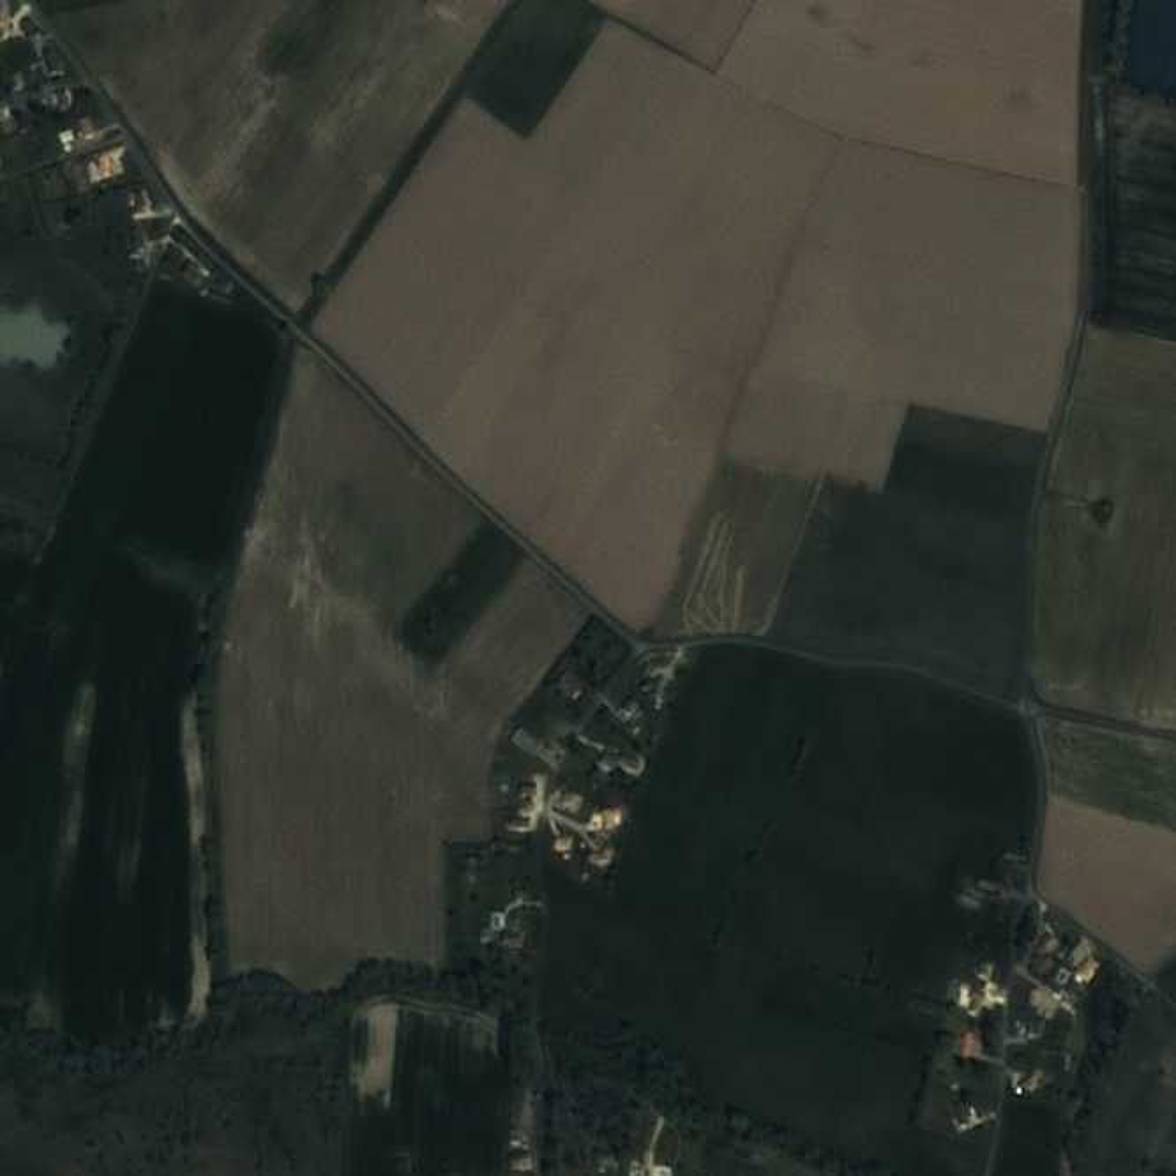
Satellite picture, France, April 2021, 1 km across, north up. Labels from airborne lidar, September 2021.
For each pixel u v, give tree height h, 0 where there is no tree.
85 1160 0
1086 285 0
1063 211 0
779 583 0
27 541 25
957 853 0
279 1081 7
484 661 0
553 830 0
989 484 0
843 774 0
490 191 0
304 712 0
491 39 0
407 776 0
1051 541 0
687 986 0
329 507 0
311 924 0
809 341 0
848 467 0
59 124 8
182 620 0
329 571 0
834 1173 17
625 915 0
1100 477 0
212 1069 5
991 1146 0
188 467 0
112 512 0
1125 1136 0
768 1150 17
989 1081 14
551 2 0
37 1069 6
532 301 0
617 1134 13
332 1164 0
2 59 11
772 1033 0
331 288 10
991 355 0
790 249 0
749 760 0
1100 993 5
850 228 0
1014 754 0
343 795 0
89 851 0
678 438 0
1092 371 0
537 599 0
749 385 0
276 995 18
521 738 0
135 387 0
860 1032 0
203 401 0
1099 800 0
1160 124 0
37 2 0
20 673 0
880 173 0
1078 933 0
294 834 0
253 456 0
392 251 0
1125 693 0
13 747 0
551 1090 16
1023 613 0
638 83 0
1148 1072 0
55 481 0
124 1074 13
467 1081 0
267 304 0
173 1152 8
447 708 0
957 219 0
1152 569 0
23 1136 0
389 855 0
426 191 0
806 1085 0
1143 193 0
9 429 0
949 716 0
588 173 0
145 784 0
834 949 0
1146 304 0
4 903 0
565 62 0
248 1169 0
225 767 0
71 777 0
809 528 0
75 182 0
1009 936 9
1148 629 0
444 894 0
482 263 0
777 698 0
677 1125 16
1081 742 0
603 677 10
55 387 0
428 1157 0
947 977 0
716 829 0
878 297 0
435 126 0
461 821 0
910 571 0
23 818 0
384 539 0
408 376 0
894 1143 0
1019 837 0
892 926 0
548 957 0
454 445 0
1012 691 0
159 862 0
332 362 0
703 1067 0
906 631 0
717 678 0
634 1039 18
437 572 0
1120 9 14
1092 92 0
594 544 0
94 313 0
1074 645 0
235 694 0
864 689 0
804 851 0
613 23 0
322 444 0
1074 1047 0
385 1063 0
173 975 0
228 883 0
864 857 0
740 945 0
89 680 0
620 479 0
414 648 0
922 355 0
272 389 0
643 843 0
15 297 0
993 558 0
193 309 0
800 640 0
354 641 0
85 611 0
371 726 0
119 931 0
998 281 0
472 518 0
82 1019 0
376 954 0
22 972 0
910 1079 0
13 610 0
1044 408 0
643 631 0
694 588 0
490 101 0
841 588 0
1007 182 0
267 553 0
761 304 0
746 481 0
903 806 0
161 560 0
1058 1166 0
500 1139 0
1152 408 0
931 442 0
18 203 0
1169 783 0
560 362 0
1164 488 0
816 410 0
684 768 0
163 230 11
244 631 0
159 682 0
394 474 0
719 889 0
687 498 0
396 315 0
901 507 0
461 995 19
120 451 0
